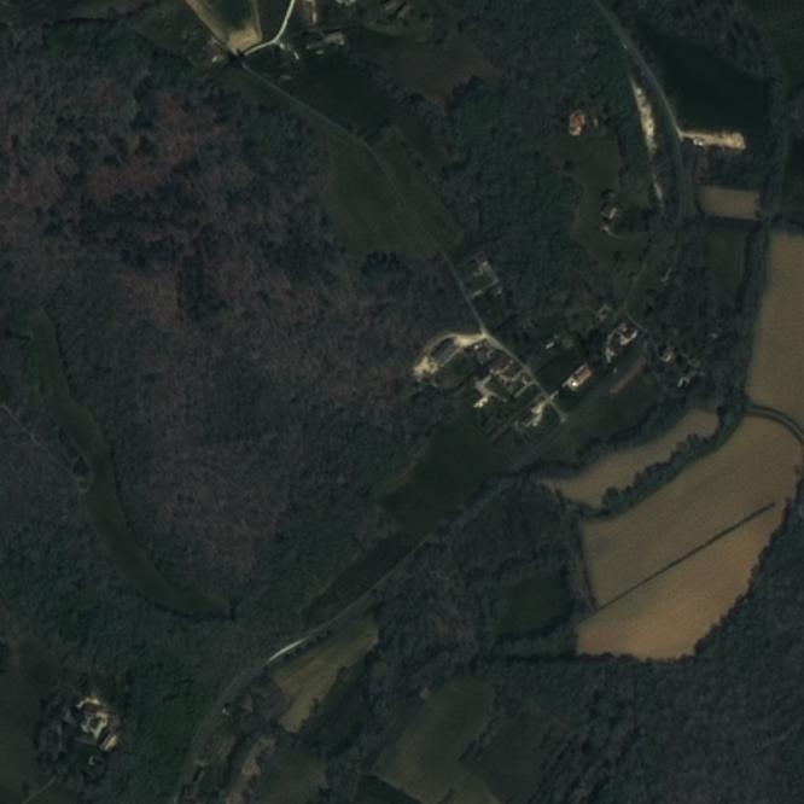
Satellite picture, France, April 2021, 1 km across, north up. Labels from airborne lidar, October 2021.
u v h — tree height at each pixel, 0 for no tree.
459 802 0
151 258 9
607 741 14
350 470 13
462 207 24
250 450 15
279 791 0
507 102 24
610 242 0
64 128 18
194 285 14
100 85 16
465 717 0
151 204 13
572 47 21
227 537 18
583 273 26
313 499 18
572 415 0
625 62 19
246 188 20
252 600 21
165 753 24
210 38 0
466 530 14
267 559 19
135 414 21
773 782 15
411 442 17
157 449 15
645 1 33
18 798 0
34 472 20
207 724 20
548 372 0
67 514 21
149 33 0
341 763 25
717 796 16
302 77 0
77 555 17
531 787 0
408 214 0
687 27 28
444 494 0
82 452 0
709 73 0
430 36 0
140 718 20
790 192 0
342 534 24
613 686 27
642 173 18
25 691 0
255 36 0
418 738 0
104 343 15
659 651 0
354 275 20
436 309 21
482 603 23
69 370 17
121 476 15
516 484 21
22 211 14
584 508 11
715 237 0
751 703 17
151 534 18
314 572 25
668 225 16
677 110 0
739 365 33
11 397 11
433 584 24
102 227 11
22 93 18
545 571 13
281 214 18
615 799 16
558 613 0
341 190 0
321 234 20
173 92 18
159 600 0
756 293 21
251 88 0
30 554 23
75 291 16
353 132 15
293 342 21
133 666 24
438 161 0
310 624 18
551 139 20
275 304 10
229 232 7
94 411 16
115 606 18
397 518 0
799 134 21
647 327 12
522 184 30
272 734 20
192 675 26
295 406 17
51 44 17
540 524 18
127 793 18
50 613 27
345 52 9
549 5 17
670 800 19
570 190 24
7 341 17
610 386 0
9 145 18
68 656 19
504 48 14
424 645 12
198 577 16
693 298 23
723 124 0
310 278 27
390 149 0
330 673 0
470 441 0
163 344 17
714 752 20
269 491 20
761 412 0
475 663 14
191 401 16
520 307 26
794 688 23
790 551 17
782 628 22
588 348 17
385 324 20
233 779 11
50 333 0
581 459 17
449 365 0
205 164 9
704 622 0
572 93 23
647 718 23
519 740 0
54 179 16
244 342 11
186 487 16
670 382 20
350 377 22
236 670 21
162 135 16
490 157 23
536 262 21
